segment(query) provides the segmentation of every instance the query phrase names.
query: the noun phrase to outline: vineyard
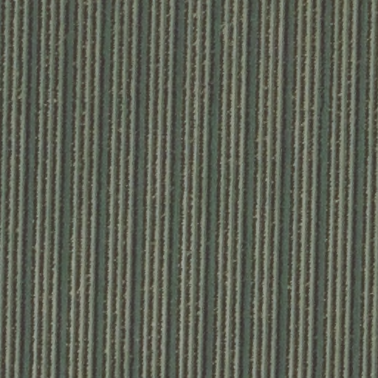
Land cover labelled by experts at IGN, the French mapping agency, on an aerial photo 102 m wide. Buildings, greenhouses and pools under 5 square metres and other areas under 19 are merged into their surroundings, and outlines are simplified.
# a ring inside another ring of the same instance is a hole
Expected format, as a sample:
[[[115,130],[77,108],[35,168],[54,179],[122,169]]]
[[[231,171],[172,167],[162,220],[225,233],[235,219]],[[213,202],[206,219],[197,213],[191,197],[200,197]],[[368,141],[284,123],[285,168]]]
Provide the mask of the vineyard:
[[[378,0],[0,0],[0,378],[378,378]]]

